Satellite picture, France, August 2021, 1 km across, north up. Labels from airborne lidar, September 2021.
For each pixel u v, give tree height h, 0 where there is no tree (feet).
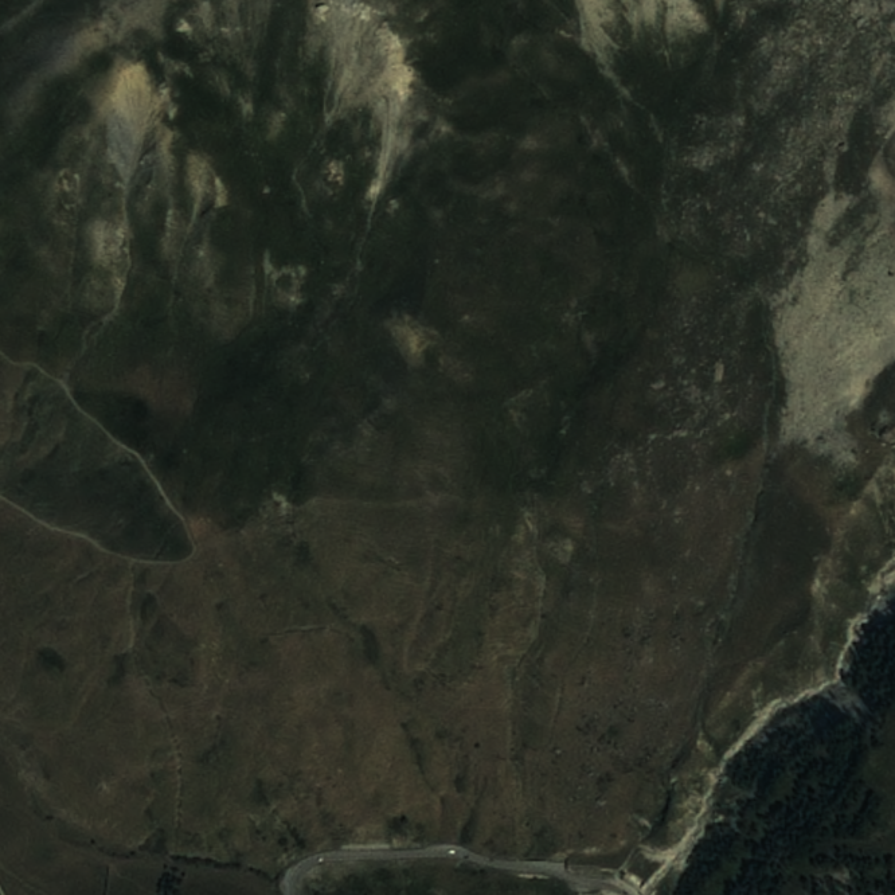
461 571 0
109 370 0
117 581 0
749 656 0
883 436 0
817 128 0
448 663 0
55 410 0
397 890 0
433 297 0
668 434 0
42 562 0
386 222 0
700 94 0
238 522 0
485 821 0
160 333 0
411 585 0
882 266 0
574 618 0
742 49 0
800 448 0
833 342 0
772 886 62
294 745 0
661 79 0
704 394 0
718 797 0
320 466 0
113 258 0
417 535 0
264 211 0
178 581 0
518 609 0
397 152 0
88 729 0
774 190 0
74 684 0
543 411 0
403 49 0
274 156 0
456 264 0
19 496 0
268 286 0
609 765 0
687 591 0
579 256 0
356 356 0
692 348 0
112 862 0
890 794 0
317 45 0
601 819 0
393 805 0
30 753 0
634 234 0
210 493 0
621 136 0
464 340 0
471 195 0
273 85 0
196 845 0
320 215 0
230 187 0
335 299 0
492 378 0
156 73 0
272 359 0
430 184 0
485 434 0
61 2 0
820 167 0
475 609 0
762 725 0
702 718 0
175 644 0
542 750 0
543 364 0
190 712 0
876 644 47
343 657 0
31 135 0
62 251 0
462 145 0
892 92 0
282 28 0
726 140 0
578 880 0
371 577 0
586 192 0
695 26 0
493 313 0
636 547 0
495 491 0
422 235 0
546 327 0
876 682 36
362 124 0
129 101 0
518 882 0
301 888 0
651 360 0
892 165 0
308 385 0
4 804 0
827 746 65
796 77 0
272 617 0
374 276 0
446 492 0
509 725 0
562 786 0
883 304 0
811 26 0
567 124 0
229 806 0
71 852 0
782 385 0
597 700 0
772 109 0
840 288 0
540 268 0
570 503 0
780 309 0
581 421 0
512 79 0
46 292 0
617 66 0
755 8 0
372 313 0
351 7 0
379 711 0
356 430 0
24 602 0
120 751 0
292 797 0
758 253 0
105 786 0
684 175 0
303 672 0
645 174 0
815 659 0
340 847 0
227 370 0
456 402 0
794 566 0
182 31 0
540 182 0
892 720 0
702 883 23
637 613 0
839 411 0
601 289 0
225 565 0
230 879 0
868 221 0
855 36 0
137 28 0
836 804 42
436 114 0
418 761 0
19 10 0
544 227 0
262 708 0
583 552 0
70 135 0
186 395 0
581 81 0
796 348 0
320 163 0
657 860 0
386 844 0
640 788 0
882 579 0
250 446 0
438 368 0
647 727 0
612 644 0
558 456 0
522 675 0
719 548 0
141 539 0
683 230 0
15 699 0
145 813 0
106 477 0
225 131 0
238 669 0
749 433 0
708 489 0
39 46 0
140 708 0
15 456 0
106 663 0
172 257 0
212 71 0
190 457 0
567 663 0
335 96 0
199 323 0
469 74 0
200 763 0
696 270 0
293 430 0
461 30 0
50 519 0
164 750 0
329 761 0
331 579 0
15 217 0
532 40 0
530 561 0
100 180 0
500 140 0
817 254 0
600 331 0
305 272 0
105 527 0
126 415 0
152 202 0
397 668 0
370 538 0
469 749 0
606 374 0
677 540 0
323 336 0
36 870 0
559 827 0
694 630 0
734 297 0
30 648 0
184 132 0
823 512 0
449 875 0
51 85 0
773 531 0
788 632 0
